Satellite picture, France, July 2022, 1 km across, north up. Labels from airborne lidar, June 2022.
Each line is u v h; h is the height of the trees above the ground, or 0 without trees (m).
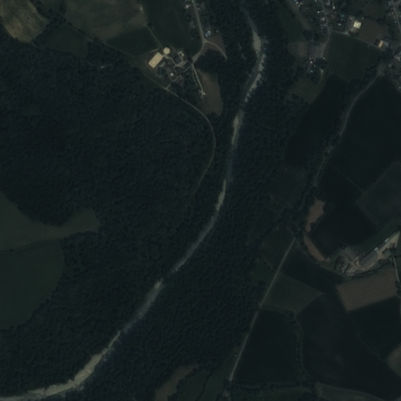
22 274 0
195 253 10
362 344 0
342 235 0
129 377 36
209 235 13
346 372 0
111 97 24
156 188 21
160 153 15
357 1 8
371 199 0
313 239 0
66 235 0
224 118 17
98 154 6
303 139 0
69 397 20
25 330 12
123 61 20
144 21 0
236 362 0
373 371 0
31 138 21
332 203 17
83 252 13
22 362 23
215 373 17
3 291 0
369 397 0
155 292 0
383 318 0
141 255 34
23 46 22
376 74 11
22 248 0
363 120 0
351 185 0
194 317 16
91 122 26
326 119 0
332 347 0
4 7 0
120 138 19
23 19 0
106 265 21
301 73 20
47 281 0
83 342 33
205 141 28
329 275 0
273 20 27
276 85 16
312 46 0
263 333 0
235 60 18
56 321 20
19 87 27
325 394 0
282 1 18
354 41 0
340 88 0
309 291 0
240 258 33
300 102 24
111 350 0
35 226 0
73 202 32
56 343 35
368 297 0
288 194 0
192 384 0
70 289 28
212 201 22
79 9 0
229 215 18
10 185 21
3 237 0
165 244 40
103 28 0
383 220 0
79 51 0
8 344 31
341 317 0
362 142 0
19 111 19
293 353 0
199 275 17
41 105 16
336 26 0
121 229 9
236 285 30
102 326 25
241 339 20
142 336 30
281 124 23
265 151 26
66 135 9
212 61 23
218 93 0
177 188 36
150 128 25
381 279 0
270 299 0
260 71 0
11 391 16
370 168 0
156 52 0
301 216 27
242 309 24
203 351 20
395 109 0
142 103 26
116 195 27
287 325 0
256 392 22
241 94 18
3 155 30
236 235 26
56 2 0
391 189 0
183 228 28
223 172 20
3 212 0
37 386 9
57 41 0
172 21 0
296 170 0
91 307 9
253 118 11
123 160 29
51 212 17
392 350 0
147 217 25
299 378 0
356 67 0
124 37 0
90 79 14
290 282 0
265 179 26
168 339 18
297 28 0
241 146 24
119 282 33
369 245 0
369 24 0
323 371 0
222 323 22
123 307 22
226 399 13
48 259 0
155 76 0
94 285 33
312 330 0
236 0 20
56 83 28
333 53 0
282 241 0
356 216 0
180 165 28
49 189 22
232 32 9
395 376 0
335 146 14
